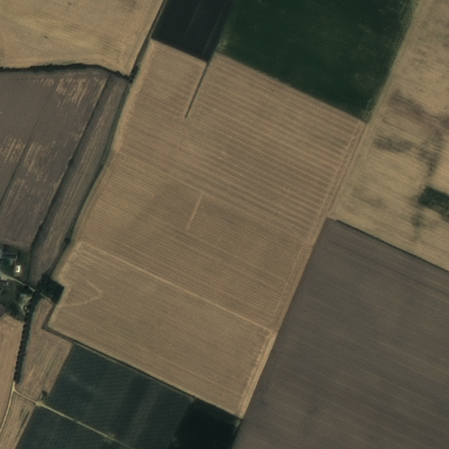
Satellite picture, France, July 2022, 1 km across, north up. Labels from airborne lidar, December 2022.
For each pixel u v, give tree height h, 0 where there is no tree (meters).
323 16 0
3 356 0
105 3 0
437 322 0
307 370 0
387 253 0
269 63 0
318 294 0
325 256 0
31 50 0
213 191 0
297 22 0
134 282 0
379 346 0
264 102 0
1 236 0
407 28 0
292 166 0
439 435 0
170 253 0
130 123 0
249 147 0
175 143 0
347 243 0
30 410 0
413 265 0
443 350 0
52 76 0
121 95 0
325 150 0
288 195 0
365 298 0
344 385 0
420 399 0
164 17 0
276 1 0
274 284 0
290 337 0
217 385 0
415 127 0
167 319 0
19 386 0
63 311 0
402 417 0
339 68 0
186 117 0
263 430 0
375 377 0
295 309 0
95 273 0
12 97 0
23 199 0
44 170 0
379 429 0
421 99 0
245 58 0
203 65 0
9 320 0
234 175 0
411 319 0
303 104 0
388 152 0
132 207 0
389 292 0
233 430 0
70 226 0
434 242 0
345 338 0
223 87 0
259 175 0
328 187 0
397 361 0
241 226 0
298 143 0
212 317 0
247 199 0
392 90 0
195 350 0
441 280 0
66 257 0
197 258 0
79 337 0
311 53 0
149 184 0
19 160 0
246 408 0
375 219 0
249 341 0
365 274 0
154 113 0
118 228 0
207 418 0
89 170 0
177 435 0
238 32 0
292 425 0
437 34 0
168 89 0
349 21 0
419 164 0
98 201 0
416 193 0
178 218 0
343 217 0
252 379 0
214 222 0
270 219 0
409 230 0
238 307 0
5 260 12
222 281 0
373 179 0
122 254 0
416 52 0
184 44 0
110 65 0
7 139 0
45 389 0
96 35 0
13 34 0
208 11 0
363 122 0
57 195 0
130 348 0
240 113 0
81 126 0
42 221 0
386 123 0
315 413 0
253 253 0
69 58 0
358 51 0
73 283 0
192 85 0
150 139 0
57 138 0
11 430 0
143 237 0
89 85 0
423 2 0
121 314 0
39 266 0
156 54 0
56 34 0
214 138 0
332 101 0
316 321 0
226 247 0
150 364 0
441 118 0
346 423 0
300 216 0
